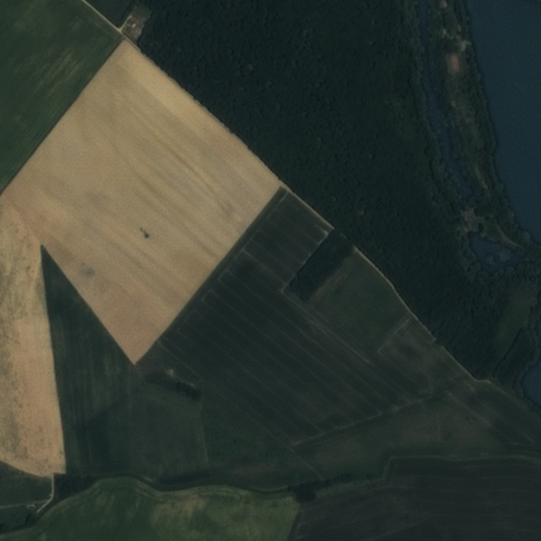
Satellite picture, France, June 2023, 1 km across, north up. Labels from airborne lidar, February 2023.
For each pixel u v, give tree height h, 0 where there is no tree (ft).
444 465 0
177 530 0
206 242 0
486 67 0
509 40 0
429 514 0
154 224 0
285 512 0
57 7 0
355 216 66
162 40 75
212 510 0
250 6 80
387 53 85
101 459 0
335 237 57
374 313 0
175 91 0
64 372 0
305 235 0
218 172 0
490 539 0
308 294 52
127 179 0
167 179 0
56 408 0
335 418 0
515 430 0
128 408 0
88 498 0
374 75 77
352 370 0
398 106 71
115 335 0
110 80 0
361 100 77
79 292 0
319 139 68
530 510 0
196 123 0
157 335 0
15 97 0
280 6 73
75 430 0
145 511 0
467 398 0
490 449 0
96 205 0
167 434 0
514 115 0
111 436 0
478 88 45
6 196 0
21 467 0
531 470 0
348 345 0
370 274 0
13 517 0
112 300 0
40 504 0
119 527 0
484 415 0
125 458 0
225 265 0
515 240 54
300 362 0
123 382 0
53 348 0
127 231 0
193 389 28
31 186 0
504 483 0
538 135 0
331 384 0
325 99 81
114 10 0
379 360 0
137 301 0
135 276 0
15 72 0
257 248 0
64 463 0
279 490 0
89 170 0
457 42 38
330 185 61
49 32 0
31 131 0
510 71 0
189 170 0
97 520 0
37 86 0
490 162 26
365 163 81
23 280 0
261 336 0
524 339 57
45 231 0
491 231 0
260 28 78
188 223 0
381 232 79
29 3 0
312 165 71
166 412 0
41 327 0
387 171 81
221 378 0
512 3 0
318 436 0
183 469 0
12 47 0
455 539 0
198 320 0
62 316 0
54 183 0
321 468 0
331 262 52
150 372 0
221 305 0
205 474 0
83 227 0
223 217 0
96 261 0
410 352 0
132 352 0
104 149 0
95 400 0
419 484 0
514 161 0
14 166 0
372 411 0
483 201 78
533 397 0
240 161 0
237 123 73
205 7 85
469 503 0
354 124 77
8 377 0
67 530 0
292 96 81
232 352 0
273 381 0
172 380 0
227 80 82
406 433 0
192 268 0
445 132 0
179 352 0
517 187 0
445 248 85
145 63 0
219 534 0
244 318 0
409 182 81
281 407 0
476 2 0
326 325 0
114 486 0
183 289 0
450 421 0
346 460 0
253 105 81
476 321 100
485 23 0
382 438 0
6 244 0
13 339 0
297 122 81
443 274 73
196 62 87
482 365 49
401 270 66
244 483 0
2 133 0
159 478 0
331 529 0
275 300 0
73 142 0
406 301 40
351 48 79
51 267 0
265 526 0
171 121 0
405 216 71
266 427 0
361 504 0
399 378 0
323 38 81
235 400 0
